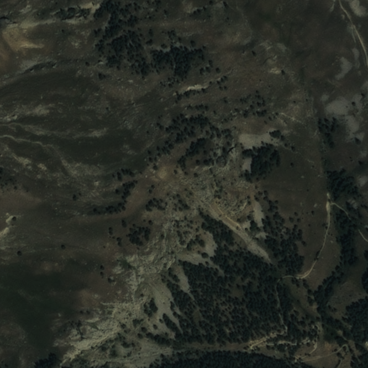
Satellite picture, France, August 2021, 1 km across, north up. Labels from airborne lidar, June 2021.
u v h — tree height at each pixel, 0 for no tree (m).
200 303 22
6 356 0
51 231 0
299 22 0
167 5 0
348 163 0
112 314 0
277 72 0
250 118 0
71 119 0
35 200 0
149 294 0
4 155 0
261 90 0
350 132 0
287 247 19
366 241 0
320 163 0
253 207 0
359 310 26
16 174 0
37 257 0
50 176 0
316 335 8
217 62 0
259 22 0
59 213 0
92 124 0
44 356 0
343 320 6
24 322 0
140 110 0
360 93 0
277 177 0
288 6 0
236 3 0
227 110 0
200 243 18
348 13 0
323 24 0
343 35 0
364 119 0
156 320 0
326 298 14
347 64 0
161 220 0
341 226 9
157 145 0
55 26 0
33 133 0
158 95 0
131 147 0
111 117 0
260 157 18
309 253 0
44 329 0
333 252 0
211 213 0
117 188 0
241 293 0
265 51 0
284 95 0
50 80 0
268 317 21
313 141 0
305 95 0
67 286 0
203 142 20
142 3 0
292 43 0
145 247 0
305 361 0
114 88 0
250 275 23
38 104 0
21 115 0
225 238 21
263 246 0
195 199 0
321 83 0
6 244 0
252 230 18
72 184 0
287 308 20
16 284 0
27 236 0
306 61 0
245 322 27
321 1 0
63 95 0
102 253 0
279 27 0
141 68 12
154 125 0
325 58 0
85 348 0
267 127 0
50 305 0
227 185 0
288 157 0
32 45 0
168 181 0
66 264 0
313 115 0
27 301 0
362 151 0
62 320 0
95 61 0
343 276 16
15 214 0
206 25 0
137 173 0
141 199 0
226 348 0
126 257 0
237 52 0
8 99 0
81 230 0
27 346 0
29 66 0
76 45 0
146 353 0
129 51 7
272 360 19
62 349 0
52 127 0
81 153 0
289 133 0
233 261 14
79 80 0
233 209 0
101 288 0
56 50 0
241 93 0
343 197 0
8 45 0
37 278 0
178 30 0
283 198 0
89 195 0
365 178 0
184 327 21
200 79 0
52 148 0
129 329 0
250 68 0
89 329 0
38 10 0
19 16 0
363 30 0
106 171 0
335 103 0
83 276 0
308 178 0
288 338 14
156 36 0
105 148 0
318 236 0
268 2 0
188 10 0
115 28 14
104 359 0
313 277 0
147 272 0
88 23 0
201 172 0
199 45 0
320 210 0
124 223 11
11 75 0
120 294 0
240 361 12
